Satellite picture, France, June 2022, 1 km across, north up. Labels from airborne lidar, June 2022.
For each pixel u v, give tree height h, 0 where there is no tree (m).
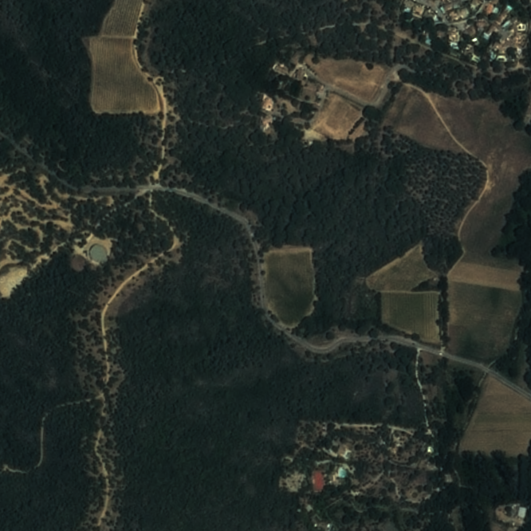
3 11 10
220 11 9
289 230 15
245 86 16
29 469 9
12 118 12
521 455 13
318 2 8
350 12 11
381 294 7
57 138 15
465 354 6
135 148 9
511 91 14
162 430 6
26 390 9
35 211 8
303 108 12
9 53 16
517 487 6
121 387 10
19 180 10
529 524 13
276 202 15
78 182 14
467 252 0
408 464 9
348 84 0
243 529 11
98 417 8
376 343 9
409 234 12
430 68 13
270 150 12
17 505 9
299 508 9
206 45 11
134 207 8
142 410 10
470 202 14
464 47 12
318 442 6
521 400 0
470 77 11
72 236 8
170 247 14
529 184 17
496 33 12
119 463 10
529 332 13
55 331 8
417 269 0
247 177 9
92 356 9
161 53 11
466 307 0
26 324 9
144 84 0
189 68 10
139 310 6
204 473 9
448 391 14
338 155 12
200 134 12
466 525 13
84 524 7
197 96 8
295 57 0
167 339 8
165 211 11
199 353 11
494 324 0
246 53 14
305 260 0
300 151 12
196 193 12
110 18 0
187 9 8
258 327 13
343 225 10
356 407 8
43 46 7
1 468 7
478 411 0
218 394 9
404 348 13
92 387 8
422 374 6
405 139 11
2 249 10
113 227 14
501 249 12
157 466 10
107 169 11
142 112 9
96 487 7
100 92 0
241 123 8
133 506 7
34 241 10
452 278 0
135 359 8
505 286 0
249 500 8
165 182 7
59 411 7
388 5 13
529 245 17
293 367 6
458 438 16
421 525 9
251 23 12
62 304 8
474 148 0
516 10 11
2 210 10
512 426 0
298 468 7
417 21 13
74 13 11
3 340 11
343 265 11
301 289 0
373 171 13
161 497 7
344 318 6
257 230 13
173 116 6
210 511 8
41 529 8
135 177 8
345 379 7
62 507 6
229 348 16
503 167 0
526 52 7
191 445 11
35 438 7
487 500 5
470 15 6
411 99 0
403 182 14
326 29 9
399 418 11
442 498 13
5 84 14
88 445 8
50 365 5
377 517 11
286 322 0
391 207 15
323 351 0
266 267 0
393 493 12
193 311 11
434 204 13
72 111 8
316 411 6
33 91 10
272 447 7
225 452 7
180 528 8
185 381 9
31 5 9
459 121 0
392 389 13
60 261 11
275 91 11
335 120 0
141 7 0
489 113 0
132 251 10
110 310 0
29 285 13
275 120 8
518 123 15
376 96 0
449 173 12
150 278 8
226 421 7
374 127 12
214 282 7
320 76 0
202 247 10
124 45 0
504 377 0
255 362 11
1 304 11
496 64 14
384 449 9
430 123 0
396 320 0
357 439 7
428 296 0
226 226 12
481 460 22
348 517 14
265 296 0
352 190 12
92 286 7
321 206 15
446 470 18
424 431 9
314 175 11
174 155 14
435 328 0
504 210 0
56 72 5
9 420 6
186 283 6
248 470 10
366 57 11
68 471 11
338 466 6
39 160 12
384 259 9
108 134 9
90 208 13
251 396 6
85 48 6
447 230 13
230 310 11
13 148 10
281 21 8
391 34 9
